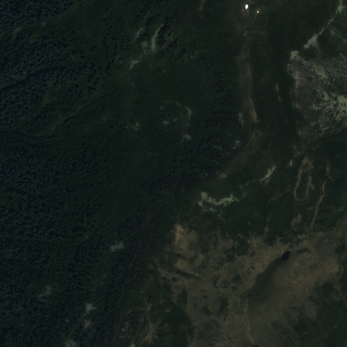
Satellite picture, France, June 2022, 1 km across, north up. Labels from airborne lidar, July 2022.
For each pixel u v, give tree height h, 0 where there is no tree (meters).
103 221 0
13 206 8
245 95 0
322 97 0
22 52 7
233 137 0
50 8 9
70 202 8
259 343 0
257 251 0
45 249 11
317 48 0
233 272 0
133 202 0
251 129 0
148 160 0
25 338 8
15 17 14
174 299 0
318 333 0
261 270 0
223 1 0
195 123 0
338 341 0
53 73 28
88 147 6
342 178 0
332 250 0
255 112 0
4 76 31
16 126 12
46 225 9
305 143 0
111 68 9
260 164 0
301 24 0
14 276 9
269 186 0
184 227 0
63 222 8
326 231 0
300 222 0
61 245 7
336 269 0
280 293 0
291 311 0
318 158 0
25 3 13
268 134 0
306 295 0
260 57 0
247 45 0
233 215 0
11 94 26
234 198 0
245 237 0
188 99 0
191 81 0
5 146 8
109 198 0
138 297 0
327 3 0
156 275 0
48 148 8
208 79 0
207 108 0
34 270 7
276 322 0
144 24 0
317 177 0
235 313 0
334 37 0
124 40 9
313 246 0
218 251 0
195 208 0
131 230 7
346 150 0
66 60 24
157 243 0
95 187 7
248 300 0
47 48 26
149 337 0
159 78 0
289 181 0
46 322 10
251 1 0
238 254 0
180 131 0
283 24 0
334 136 0
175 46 8
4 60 7
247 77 0
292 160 0
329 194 0
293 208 0
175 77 0
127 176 0
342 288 0
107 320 6
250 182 0
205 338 0
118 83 0
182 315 0
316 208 0
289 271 0
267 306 0
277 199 0
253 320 0
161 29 11
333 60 0
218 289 0
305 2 0
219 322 0
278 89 0
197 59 0
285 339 0
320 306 0
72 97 7
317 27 0
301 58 0
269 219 0
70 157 8
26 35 7
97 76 9
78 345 0
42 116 12
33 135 9
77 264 5
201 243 0
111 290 6
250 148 0
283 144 0
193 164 6
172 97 0
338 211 0
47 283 6
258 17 0
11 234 24
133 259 6
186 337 0
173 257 0
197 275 0
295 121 0
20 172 30
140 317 0
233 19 0
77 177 6
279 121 0
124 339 0
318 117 0
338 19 0
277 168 0
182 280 0
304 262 0
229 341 0
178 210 0
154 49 0
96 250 13
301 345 0
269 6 0
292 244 0
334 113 0
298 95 0
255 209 0
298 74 0
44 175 10
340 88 0
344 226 0
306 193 0
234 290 0
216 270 0
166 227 0
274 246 0
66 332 11
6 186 7
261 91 0
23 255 23
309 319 0
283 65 0
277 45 0
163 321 0
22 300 16
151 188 6
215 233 0
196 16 0
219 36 0
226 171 0
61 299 11
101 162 8
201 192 0
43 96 24
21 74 22
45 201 9
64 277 5
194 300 0
